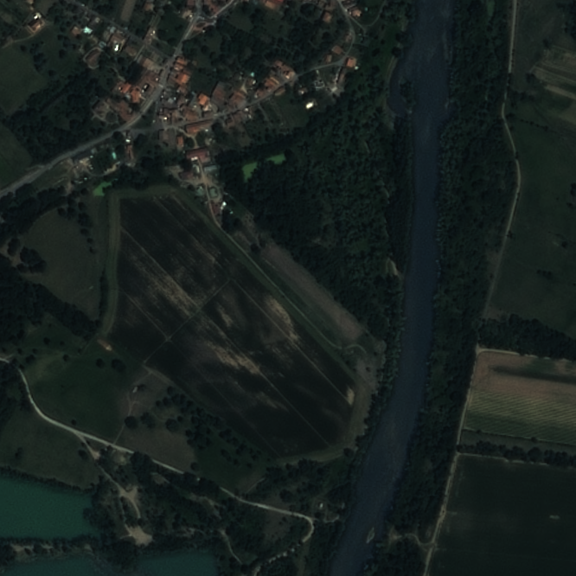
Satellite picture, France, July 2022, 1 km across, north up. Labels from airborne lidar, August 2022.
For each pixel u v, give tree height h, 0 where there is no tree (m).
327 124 19
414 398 0
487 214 15
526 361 0
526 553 0
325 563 13
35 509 0
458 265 6
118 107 0
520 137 0
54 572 0
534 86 6
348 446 0
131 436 0
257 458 15
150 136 0
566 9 25
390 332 8
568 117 0
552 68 0
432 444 8
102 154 0
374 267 16
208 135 0
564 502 0
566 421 0
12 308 22
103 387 0
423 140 0
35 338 0
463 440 0
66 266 0
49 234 0
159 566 0
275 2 0
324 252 8
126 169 18
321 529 14
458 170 18
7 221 19
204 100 0
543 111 0
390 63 0
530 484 0
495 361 0
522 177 0
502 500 0
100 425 0
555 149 0
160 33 12
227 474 0
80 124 14
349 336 0
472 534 0
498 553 0
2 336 17
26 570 0
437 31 0
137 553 16
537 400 0
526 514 0
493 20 10
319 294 0
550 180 0
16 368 23
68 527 0
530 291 0
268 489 14
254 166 0
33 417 0
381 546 10
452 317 5
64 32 17
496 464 0
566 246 15
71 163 0
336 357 0
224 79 7
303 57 18
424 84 0
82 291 0
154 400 0
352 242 22
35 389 0
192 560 0
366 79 8
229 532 16
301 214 7
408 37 22
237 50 13
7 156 0
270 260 0
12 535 0
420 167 0
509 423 0
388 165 11
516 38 0
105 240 0
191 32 0
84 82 16
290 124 0
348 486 14
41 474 0
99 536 0
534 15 0
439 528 0
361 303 11
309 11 20
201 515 20
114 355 0
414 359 0
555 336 11
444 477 15
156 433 0
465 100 17
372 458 0
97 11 7
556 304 0
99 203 0
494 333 12
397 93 0
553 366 0
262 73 10
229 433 16
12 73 0
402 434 0
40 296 13
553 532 0
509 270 0
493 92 21
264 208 19
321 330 0
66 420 0
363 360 0
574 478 0
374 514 0
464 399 13
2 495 0
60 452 0
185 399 16
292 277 0
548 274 10
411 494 7
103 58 8
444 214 13
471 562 0
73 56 0
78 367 0
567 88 0
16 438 0
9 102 0
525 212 0
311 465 16
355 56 0
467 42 7
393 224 23
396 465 0
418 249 0
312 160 20
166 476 19
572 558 0
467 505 0
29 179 0
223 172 10
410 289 0
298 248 6
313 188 8
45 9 0
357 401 0
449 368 11
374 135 15
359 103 18
